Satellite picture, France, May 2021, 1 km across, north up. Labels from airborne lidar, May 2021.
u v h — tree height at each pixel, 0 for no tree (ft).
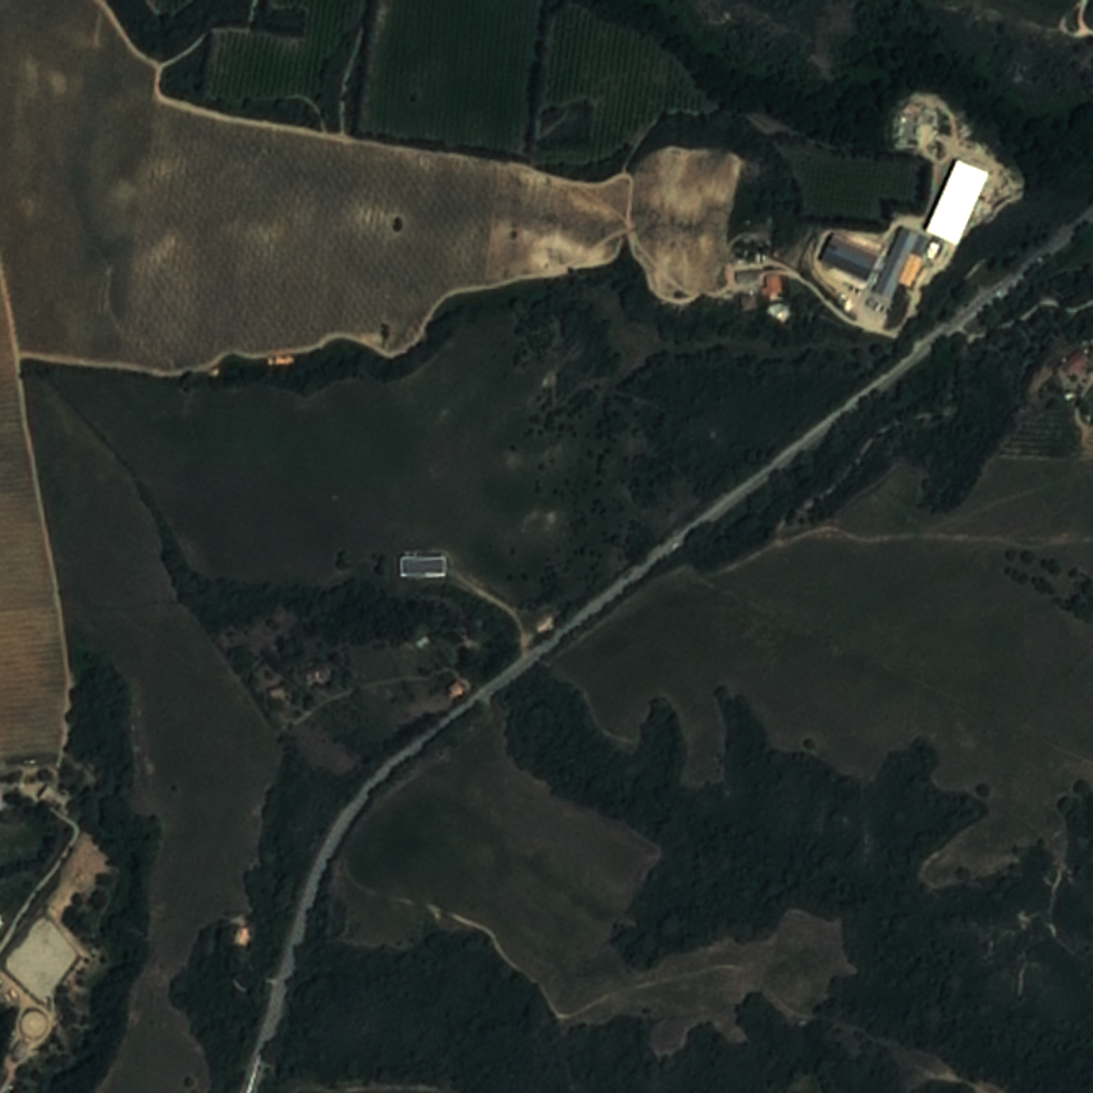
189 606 25
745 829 20
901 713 0
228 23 44
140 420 0
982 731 0
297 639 19
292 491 0
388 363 21
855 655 0
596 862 0
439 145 42
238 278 0
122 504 0
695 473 20
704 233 0
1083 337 28
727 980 0
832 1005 33
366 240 0
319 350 27
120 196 0
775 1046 22
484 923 0
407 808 0
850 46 29
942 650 0
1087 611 40
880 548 0
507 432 0
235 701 0
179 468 0
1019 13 0
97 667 20
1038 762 0
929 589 0
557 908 0
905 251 0
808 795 21
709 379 21
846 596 0
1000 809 0
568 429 24
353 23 0
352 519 0
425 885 0
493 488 0
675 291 0
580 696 26
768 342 19
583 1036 39
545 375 0
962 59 44
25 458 0
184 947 0
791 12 22
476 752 0
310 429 0
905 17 56
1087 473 0
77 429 0
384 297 0
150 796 0
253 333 0
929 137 0
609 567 0
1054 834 0
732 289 0
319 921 35
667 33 55
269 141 0
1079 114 51
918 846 32
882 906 23
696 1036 32
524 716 33
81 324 0
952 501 24
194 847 0
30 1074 32
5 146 0
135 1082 0
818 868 24
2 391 0
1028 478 0
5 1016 37
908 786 23
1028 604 0
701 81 51
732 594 0
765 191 25
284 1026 37
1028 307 22
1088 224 39
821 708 0
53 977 0
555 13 68
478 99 0
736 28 23
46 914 0
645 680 0
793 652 0
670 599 0
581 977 0
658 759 32
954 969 31
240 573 0
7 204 0
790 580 0
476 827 0
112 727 19
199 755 0
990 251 19
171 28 33
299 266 0
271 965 25
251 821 0
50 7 0
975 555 0
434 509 0
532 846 0
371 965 29
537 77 68
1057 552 0
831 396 21
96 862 0
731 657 0
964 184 0
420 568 0
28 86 0
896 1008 18
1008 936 0
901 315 0
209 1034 40
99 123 0
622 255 20
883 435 26
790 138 74
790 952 0
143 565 0
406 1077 28
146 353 0
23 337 0
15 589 0
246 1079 46
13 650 0
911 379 36
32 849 0
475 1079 21
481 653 55
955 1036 38
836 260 0
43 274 0
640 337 0
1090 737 0
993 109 61
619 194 0
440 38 0
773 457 35
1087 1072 36
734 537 26
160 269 0
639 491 24
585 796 31
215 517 0
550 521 0
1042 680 0
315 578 0
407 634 43
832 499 26
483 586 0
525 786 0
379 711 0
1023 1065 21
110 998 26
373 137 43
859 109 53
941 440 36
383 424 0
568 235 0
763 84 59
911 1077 0
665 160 0
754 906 24
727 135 22
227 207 0
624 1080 25
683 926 24
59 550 0
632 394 30
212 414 0
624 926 20
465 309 31
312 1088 0
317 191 0
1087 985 31
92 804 34
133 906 32
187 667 0
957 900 38
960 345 27
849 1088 22
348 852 0
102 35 0
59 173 0
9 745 0
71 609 0
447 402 0
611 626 0
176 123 0
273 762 0
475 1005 24
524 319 18
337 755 0
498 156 51
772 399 21
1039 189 39
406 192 0
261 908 29
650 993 0
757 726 20
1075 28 0
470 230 0
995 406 20
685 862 29
